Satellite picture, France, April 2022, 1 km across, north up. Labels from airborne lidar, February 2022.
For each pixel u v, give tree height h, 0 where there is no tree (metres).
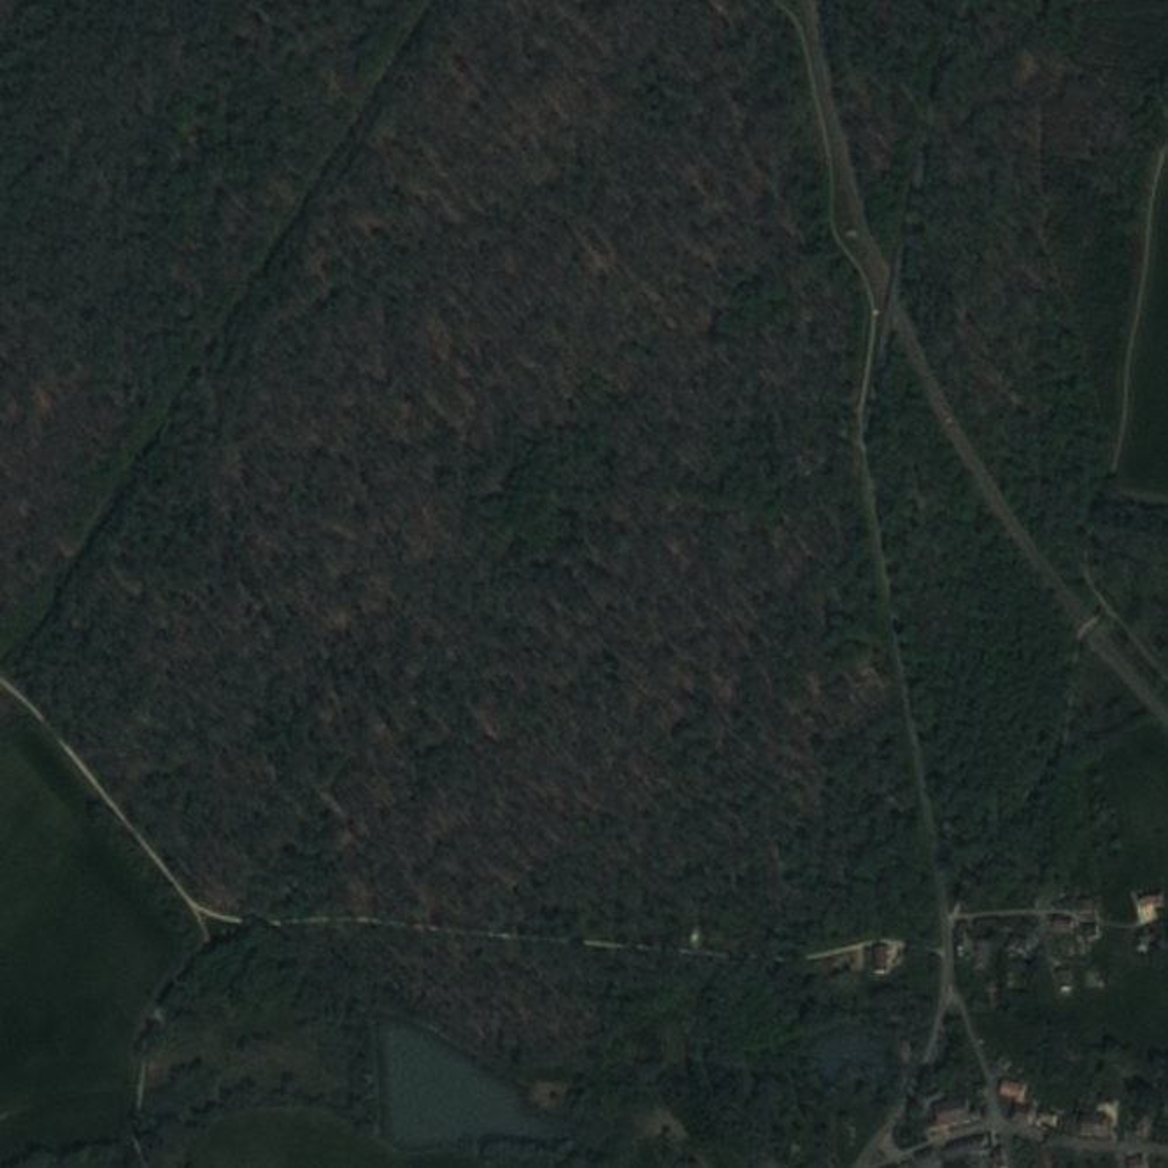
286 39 26
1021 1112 0
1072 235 7
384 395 28
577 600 25
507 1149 22
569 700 26
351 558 29
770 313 28
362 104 17
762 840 28
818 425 28
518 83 29
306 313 26
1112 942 0
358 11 24
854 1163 0
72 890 0
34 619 15
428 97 26
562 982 31
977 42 18
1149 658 0
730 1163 0
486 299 28
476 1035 25
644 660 25
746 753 25
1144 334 0
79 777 0
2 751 0
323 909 27
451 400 25
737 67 28
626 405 25
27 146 26
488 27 24
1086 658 24
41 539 27
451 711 29
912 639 26
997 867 18
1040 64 29
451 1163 0
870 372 0
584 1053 26
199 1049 0
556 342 29
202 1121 17
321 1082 0
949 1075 19
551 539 27
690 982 28
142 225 28
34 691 20
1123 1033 0
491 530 27
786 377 27
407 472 26
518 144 28
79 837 0
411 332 29
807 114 30
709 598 28
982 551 27
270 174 28
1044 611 22
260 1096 21
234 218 26
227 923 0
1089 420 23
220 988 22
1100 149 20
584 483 22
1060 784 20
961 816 25
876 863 32
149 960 0
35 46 27
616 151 25
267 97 24
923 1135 11
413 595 27
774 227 29
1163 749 0
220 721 31
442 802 31
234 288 21
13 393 29
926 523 27
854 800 30
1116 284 5
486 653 26
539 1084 0
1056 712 25
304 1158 0
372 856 24
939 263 23
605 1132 0
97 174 24
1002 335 30
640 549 27
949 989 0
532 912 27
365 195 32
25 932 0
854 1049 0
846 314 24
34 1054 0
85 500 28
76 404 28
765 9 23
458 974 26
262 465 25
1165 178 0
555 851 32
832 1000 0
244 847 29
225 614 27
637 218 22
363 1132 16
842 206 0
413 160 28
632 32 23
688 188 28
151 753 26
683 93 27
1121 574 26
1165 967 14
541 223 27
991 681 23
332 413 26
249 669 28
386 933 23
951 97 25
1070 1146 0
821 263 27
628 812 29
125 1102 0
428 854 26
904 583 22
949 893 0
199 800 27
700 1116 0
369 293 28
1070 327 27
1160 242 0
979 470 0
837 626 0
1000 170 29
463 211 28
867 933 22
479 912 29
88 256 24
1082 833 18
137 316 21
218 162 32
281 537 29
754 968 28
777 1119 15
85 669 16
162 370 25
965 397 25
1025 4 26
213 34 26
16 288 25
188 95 27
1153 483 0
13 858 0
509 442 25
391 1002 26
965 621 25
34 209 25
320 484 23
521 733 25
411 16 22
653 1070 20
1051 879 22
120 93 24
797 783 31
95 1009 0
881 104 21
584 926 26
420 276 25
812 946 23
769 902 27
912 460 25
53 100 23
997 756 25
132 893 0
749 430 26
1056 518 21
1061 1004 0
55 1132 0
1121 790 0
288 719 27
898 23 24
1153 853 0
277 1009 17
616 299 30
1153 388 0
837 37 23
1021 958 0
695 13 25
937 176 26
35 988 0
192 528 29
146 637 26
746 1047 21
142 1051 13
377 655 27
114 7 15
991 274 28
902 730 24
